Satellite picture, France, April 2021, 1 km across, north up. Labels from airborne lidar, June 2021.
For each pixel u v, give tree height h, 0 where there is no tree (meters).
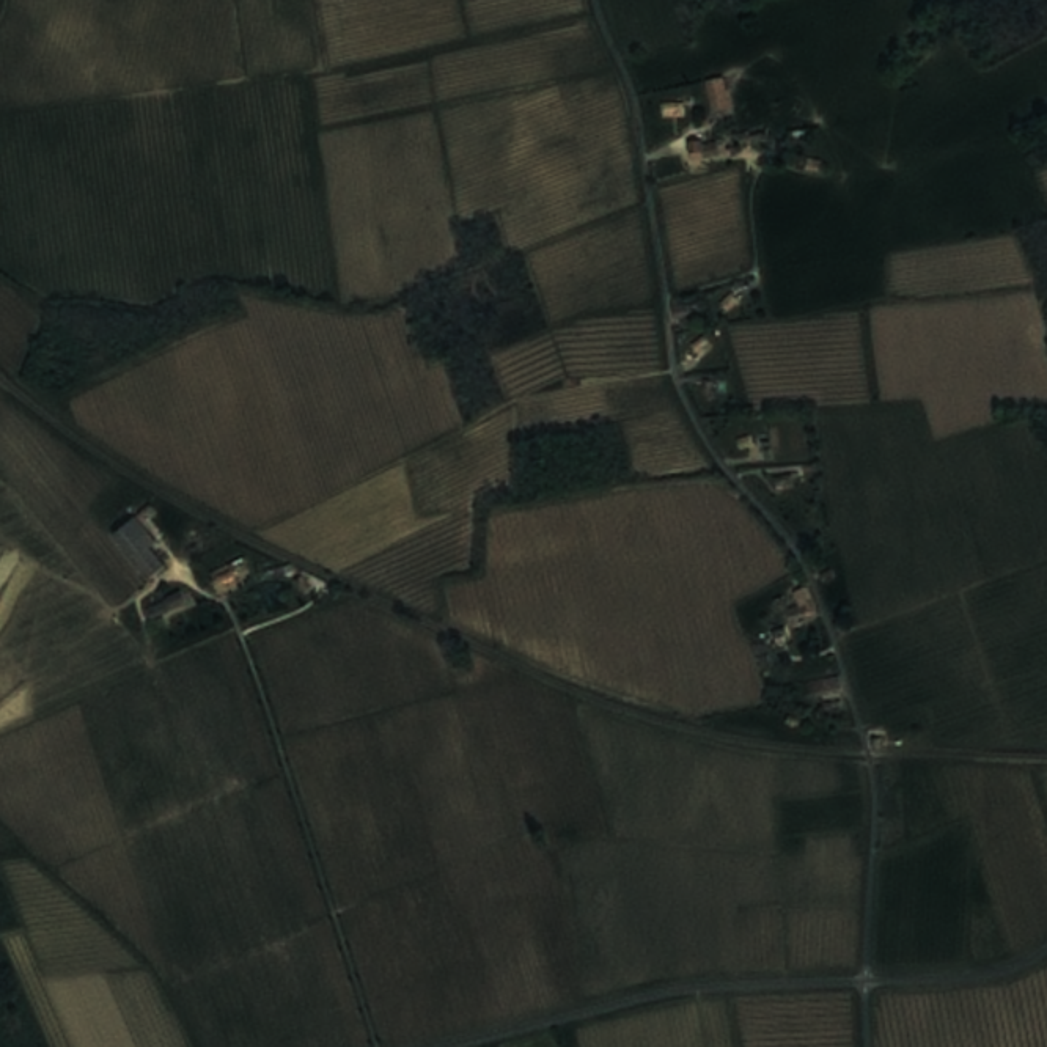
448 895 0
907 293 0
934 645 0
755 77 0
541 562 0
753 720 0
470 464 0
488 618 0
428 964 0
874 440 0
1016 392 0
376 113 0
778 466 0
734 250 0
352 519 0
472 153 0
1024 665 0
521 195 0
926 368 0
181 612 0
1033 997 0
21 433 0
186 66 0
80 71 0
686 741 0
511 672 0
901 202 0
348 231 0
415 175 0
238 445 0
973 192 0
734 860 0
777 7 0
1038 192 0
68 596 0
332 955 0
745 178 0
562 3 0
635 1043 0
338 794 0
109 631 0
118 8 0
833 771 0
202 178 0
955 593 0
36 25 0
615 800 0
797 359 0
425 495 0
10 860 0
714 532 0
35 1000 0
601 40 0
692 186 0
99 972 0
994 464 0
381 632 0
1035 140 19
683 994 0
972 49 14
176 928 0
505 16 0
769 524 8
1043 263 10
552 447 18
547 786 0
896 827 0
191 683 0
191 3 0
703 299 9
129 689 0
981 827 0
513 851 0
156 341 16
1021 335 0
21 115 0
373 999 0
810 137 11
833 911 0
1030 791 0
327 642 0
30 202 0
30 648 0
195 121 0
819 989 0
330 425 0
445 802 0
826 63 0
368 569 0
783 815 0
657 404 0
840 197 0
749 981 0
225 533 0
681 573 0
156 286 0
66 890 0
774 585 0
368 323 0
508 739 0
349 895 0
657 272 0
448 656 17
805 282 0
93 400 0
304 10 0
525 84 0
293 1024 0
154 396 0
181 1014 0
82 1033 0
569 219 0
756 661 0
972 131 0
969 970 0
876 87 0
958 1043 0
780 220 0
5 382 0
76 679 0
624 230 0
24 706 0
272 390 0
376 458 0
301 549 0
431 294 13
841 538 0
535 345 0
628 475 9
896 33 0
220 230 0
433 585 0
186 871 0
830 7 0
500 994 0
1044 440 16
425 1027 0
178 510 0
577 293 0
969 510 0
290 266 0
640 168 0
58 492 0
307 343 0
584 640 0
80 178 0
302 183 0
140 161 0
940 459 0
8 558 0
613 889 0
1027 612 0
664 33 0
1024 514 0
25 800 0
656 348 0
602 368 0
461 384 16
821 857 0
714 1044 0
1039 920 0
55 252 0
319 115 0
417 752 0
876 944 0
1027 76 0
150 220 0
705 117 7
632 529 0
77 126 0
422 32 0
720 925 0
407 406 0
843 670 0
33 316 0
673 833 0
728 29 0
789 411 15
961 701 0
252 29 0
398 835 0
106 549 0
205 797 0
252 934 0
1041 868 0
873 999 0
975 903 0
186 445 0
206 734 0
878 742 0
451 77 0
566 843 0
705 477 8
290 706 0
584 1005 0
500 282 14
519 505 14
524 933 0
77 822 0
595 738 0
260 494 0
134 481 0
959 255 0
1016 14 23
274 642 0
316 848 0
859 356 0
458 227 15
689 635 0
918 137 0
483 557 13
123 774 0
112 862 0
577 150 0
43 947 0
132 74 0
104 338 11
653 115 0
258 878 0
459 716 0
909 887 0
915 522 0
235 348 0
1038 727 0
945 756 0
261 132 0
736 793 0
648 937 0
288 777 0
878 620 0
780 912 0
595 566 0
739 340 0
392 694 0
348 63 0
